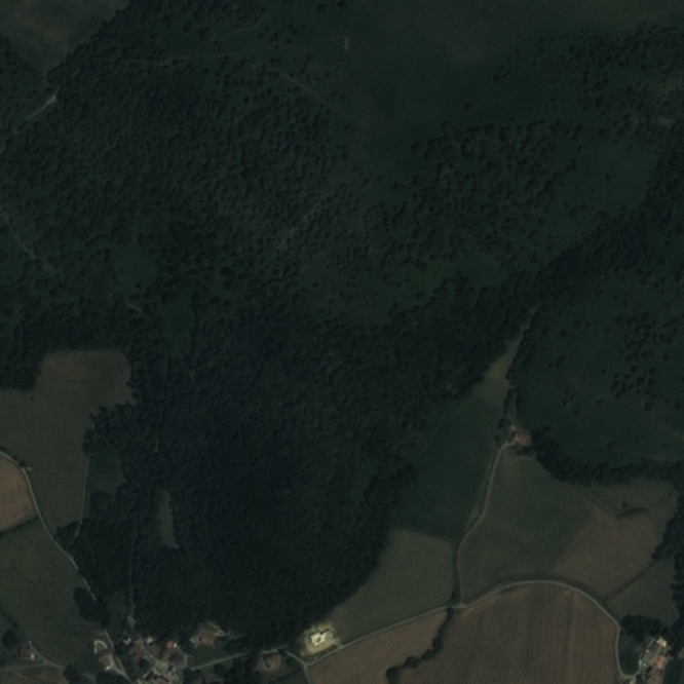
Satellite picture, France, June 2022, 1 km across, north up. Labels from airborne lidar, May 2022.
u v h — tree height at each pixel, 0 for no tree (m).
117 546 9
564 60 8
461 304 11
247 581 26
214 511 21
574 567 0
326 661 0
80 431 0
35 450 0
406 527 0
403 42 0
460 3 0
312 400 20
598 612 0
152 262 0
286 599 18
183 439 21
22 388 17
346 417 20
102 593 12
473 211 16
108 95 6
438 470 0
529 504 0
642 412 0
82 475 0
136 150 7
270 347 23
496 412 0
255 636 10
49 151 12
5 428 0
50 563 0
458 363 24
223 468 30
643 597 0
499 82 7
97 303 24
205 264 14
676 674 0
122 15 16
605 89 14
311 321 10
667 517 0
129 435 22
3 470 0
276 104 9
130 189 11
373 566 23
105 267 14
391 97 0
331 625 0
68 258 12
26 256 8
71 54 7
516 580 0
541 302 13
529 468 0
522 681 0
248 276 13
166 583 18
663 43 6
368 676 0
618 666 0
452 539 0
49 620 0
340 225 9
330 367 23
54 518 0
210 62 0
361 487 0
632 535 0
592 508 0
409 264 15
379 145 0
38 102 0
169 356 9
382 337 16
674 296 0
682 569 20
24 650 0
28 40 0
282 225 6
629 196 0
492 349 17
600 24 0
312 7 0
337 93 6
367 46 0
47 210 11
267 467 23
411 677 0
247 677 16
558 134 14
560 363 9
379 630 0
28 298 16
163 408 15
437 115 0
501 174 18
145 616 17
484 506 0
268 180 14
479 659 0
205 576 13
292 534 19
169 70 10
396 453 22
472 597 0
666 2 0
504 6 0
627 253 17
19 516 0
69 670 13
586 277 23
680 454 0
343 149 11
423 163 0
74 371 0
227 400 14
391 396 21
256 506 26
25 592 0
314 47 0
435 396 21
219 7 17
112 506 25
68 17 0
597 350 0
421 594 0
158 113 13
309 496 26
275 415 16
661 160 11
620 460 0
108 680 25
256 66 8
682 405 9
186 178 14
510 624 0
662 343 10
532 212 11
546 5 0
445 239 18
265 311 13
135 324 20
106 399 0
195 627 18
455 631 0
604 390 0
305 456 23
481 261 0
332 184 7
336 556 20
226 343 18
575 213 13
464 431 0
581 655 0
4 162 12
